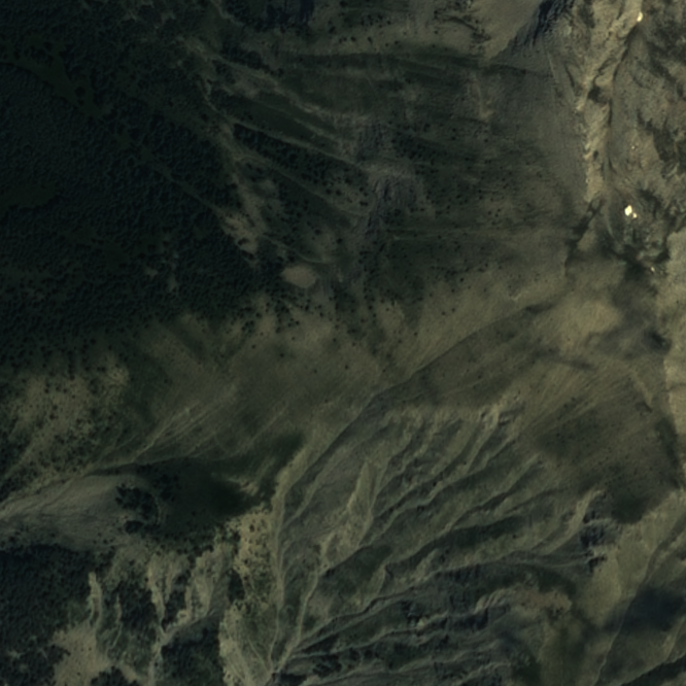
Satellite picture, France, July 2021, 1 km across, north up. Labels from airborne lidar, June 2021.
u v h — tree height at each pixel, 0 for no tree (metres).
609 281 0
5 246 9
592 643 0
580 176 0
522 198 0
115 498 0
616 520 0
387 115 0
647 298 0
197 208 16
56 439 7
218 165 17
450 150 0
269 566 0
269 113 0
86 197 22
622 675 0
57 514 0
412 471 0
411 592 0
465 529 0
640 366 0
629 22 0
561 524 0
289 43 0
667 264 0
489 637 0
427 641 0
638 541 0
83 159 22
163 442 0
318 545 0
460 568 0
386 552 0
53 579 10
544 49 0
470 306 0
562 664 0
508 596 0
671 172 0
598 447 0
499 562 0
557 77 0
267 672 0
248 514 0
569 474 0
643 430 0
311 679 0
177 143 20
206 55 0
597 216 0
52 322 6
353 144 0
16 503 0
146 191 19
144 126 20
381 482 0
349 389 0
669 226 0
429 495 0
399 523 0
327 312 0
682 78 0
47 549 9
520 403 0
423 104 0
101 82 21
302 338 0
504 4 0
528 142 0
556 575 0
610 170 0
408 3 0
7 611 11
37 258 7
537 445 0
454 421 0
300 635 0
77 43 22
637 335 0
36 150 15
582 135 0
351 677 0
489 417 0
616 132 0
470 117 0
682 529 0
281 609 0
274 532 0
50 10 15
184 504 0
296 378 0
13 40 21
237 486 0
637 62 0
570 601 0
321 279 0
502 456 0
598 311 0
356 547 0
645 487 0
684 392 0
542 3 0
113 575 0
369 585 0
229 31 0
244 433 0
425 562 0
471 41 0
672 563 0
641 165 0
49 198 0
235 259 15
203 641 5
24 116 22
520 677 0
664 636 0
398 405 0
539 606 0
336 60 0
